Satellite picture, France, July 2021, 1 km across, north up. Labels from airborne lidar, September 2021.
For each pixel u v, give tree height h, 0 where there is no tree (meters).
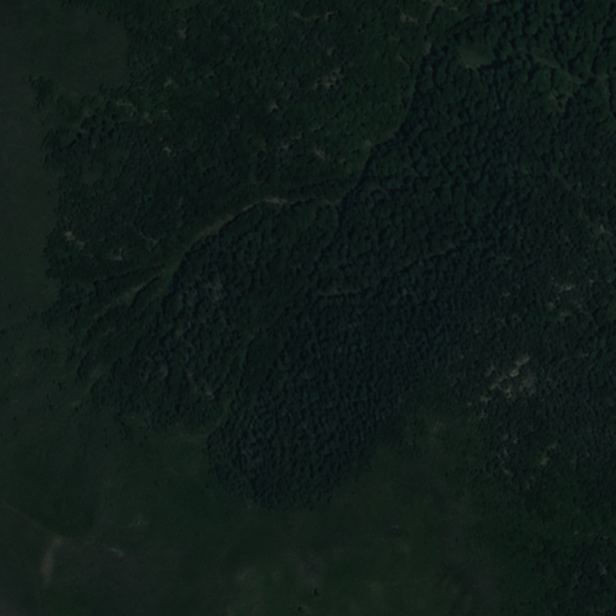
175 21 15
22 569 0
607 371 31
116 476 0
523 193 13
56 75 0
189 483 0
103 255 17
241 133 10
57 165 11
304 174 24
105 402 11
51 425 0
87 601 0
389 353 20
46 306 0
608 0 22
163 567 0
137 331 11
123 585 0
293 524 0
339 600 0
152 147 22
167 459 0
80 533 0
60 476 0
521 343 11
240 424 16
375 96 33
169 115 9
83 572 0
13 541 0
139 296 16
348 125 24
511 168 21
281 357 16
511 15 28
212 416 14
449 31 22
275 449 23
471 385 15
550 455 16
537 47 31
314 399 25
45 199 0
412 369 14
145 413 12
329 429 11
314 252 23
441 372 14
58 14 0
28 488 0
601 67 29
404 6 19
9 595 0
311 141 24
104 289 25
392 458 0
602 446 22
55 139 18
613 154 22
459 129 26
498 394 20
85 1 10
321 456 23
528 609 6
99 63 0
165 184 28
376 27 31
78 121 14
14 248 0
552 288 10
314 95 12
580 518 10
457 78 31
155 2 22
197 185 20
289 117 28
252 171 26
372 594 0
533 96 22
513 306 14
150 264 10
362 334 20
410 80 33
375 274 24
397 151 27
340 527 0
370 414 14
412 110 20
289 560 0
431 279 24
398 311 16
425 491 0
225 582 0
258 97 15
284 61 33
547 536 9
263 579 0
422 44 10
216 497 0
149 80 19
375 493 0
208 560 0
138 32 13
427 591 0
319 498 9
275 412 21
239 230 21
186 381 13
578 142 23
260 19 16
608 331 27
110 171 12
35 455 0
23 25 0
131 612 0
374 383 23
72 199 14
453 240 20
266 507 9
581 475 12
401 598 0
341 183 23
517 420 13
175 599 0
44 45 0
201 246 10
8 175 0
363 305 16
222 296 8
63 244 18
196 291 22
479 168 23
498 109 27
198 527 0
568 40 27
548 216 10
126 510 0
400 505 0
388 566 0
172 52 12
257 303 22
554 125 25
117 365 12
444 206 21
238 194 17
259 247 27
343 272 16
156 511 0
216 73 22
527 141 25
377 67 27
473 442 12
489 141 26
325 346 27
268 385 12
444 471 5
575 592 23
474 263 23
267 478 17
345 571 0
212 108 15
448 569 0
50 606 0
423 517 0
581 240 21
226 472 10
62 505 0
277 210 18
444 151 31
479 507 6
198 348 21
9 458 0
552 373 18
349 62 21
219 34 17
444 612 0
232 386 24
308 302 13
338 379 19
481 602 0
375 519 0
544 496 15
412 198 25
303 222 25
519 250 20
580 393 21
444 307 19
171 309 18
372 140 27
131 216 14
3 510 0
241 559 0
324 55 20
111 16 12
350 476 8
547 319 7
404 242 13
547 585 10
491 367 15
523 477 20
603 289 33
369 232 22
